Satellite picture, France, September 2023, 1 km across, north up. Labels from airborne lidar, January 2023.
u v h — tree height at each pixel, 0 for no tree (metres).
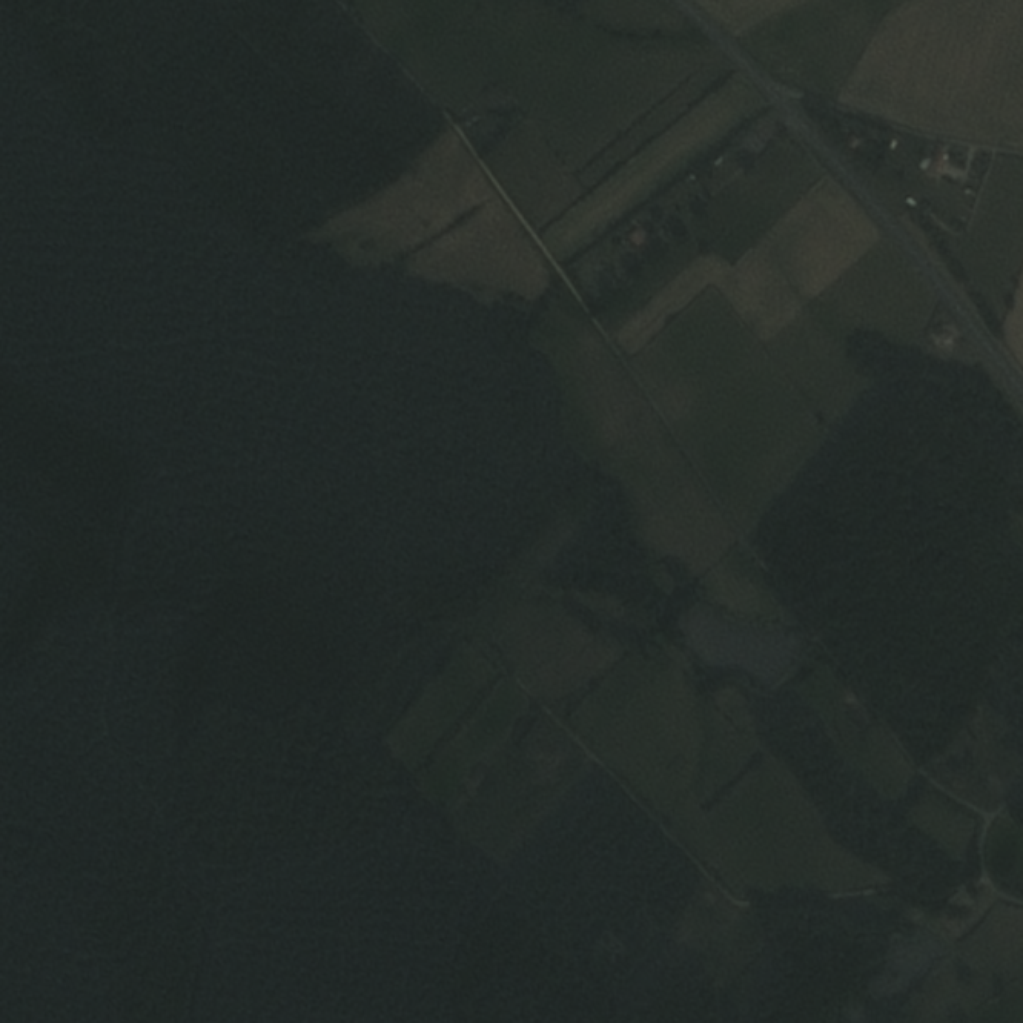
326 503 27
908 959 0
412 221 0
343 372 18
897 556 24
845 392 0
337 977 30
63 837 22
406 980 28
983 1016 0
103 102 13
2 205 26
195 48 8
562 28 0
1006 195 0
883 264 0
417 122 12
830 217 0
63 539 21
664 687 0
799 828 0
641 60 0
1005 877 0
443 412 16
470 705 0
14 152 27
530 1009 23
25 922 22
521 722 0
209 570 19
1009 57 0
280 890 28
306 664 19
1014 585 26
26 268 24
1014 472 27
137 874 27
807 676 6
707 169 6
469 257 0
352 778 27
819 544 12
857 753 0
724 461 0
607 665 0
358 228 0
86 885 27
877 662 20
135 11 13
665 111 0
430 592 18
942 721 16
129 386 26
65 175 26
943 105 0
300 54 11
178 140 16
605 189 0
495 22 0
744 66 0
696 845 0
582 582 10
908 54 0
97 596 20
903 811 10
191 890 21
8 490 19
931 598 21
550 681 0
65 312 22
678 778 0
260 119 6
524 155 0
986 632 16
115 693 20
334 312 17
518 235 0
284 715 24
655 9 0
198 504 27
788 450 0
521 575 0
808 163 0
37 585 16
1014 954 0
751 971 0
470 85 0
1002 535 21
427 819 16
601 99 0
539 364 18
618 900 19
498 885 22
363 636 22
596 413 0
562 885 16
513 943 22
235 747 21
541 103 0
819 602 23
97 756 20
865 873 0
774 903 16
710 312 0
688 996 28
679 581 14
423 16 0
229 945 27
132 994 23
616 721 0
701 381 0
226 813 24
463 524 13
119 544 18
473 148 6
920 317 0
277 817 24
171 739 23
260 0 12
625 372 0
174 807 24
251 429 22
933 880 22
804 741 22
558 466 19
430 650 0
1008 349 0
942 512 30
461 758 0
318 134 9
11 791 20
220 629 10
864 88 0
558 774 0
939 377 23
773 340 0
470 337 17
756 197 0
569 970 24
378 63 12
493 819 0
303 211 9
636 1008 28
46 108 25
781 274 0
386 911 27
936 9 0
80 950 19
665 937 0
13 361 22
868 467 15
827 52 0
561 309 0
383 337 13
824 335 0
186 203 19
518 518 22
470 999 26
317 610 22
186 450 24
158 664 23
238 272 21
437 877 22
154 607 28
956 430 30
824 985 24
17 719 26
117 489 17
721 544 0
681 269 0
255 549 17
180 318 19
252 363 19
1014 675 16
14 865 21
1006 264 0
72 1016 23
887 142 6
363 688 24
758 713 17
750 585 0
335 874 27
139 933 25
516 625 0
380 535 17
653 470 0
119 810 18
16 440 16
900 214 0
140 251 22
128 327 26
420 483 16
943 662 11
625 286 11
